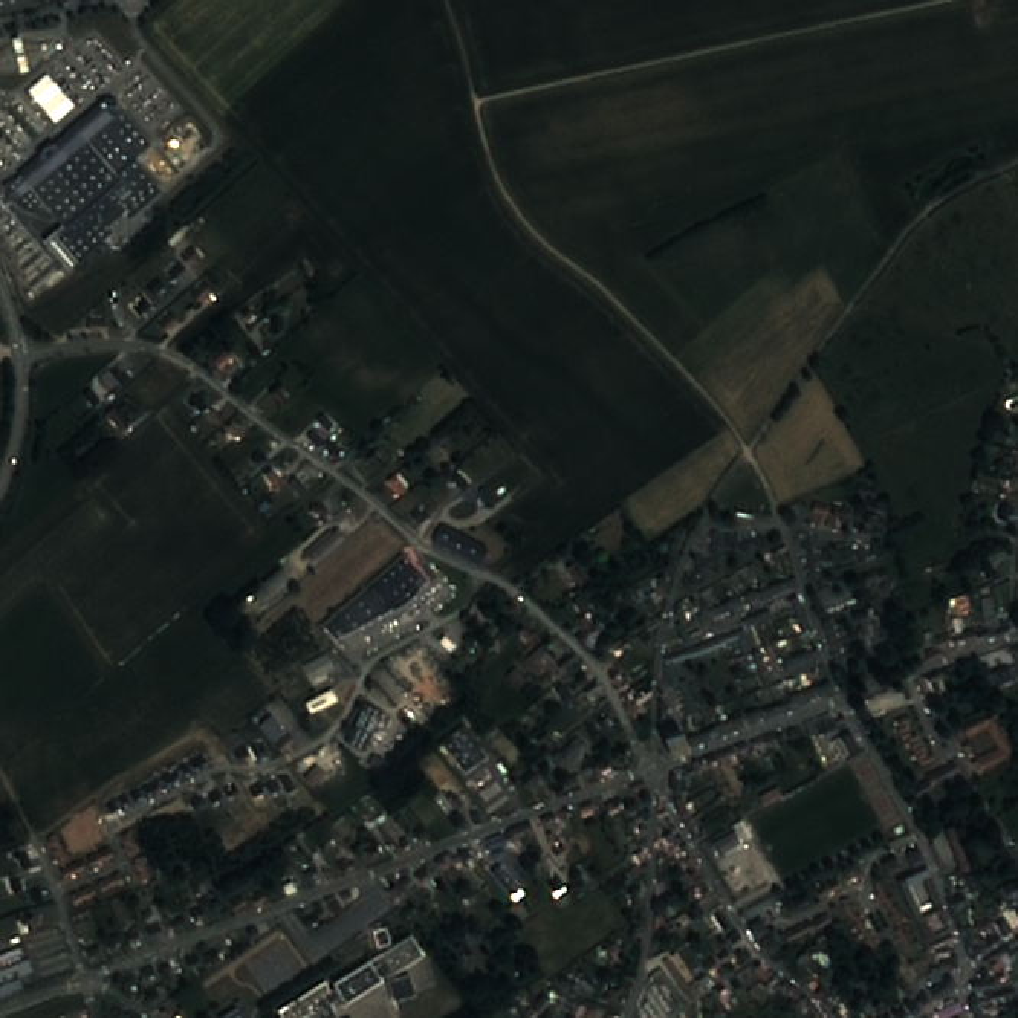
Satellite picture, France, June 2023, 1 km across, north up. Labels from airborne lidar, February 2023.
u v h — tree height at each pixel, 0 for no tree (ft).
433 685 0
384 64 0
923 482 0
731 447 0
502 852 0
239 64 0
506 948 26
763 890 0
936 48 0
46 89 0
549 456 0
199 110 0
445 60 0
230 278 0
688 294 0
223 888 63
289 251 0
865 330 0
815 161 0
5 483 0
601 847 0
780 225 0
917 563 0
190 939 0
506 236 0
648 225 0
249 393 0
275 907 0
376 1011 0
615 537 0
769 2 0
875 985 34
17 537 0
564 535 0
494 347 0
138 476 0
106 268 0
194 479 0
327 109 0
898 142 0
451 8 0
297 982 25
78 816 0
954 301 0
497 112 0
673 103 0
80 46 0
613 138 0
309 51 0
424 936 22
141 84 0
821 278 0
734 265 0
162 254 0
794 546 0
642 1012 0
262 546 0
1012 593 0
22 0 0
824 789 0
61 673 0
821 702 0
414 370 0
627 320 0
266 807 0
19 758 0
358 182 0
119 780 0
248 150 0
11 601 0
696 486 0
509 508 0
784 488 0
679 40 0
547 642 35
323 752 0
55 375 0
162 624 0
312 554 0
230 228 0
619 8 0
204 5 0
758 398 0
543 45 0
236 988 0
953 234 0
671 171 0
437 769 0
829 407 0
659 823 0
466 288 0
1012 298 0
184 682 0
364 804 0
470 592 0
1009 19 0
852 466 0
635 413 0
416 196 0
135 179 0
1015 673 0
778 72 0
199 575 0
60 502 0
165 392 0
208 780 0
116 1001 0
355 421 0
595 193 0
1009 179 0
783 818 0
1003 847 37
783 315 0
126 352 0
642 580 0
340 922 0
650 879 0
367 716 0
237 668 0
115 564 0
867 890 0
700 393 0
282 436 0
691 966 0
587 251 0
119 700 0
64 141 0
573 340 0
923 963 0
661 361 0
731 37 0
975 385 0
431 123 0
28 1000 0
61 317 0
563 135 0
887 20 0
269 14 0
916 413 0
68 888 0
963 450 0
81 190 0
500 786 0
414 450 30
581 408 0
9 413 35
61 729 0
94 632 0
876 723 50
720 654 0
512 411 0
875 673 84
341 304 0
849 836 0
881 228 0
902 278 0
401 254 0
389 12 0
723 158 0
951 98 0
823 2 0
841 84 0
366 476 0
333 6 0
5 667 0
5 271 0
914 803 49
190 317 0
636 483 0
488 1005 60
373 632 0
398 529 0
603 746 37
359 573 0
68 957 0
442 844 0
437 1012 0
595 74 0
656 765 0
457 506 0
